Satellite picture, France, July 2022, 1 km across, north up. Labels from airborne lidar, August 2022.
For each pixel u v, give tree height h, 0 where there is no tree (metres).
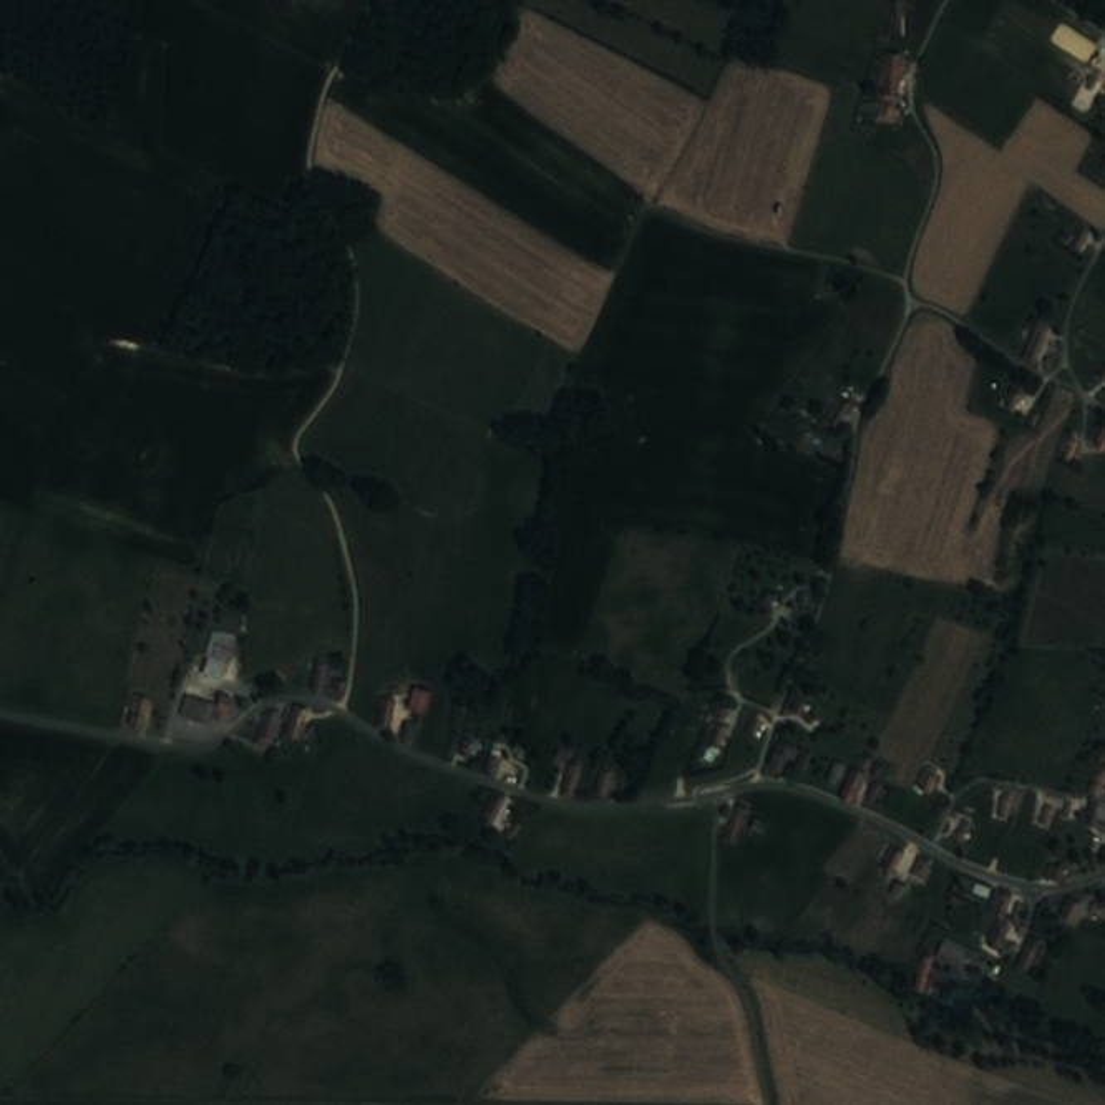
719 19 0
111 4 24
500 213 0
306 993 0
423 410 0
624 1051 0
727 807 7
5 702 0
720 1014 0
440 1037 0
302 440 0
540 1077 0
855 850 0
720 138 0
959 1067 0
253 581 0
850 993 0
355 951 0
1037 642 0
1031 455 0
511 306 0
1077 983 0
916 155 0
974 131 0
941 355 0
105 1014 0
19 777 0
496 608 0
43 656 0
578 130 0
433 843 9
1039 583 0
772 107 0
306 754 0
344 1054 0
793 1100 0
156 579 0
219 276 24
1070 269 0
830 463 8
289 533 0
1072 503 11
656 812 0
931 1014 13
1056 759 0
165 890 0
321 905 0
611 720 0
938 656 0
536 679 0
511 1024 0
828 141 0
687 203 0
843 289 19
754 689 0
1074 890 0
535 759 10
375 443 0
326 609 0
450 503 0
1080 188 0
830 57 0
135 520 0
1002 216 0
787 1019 0
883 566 0
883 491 0
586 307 0
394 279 0
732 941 11
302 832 0
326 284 23
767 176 0
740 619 0
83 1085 0
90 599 0
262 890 0
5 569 0
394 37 18
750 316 0
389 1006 0
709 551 0
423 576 0
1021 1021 22
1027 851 0
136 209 0
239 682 0
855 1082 0
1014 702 0
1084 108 0
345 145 0
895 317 0
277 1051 0
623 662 0
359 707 0
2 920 0
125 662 0
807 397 0
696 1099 0
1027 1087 0
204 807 0
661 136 0
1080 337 0
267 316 24
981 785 0
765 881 0
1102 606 0
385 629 0
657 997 0
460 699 21
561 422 19
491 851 9
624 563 0
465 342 0
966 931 0
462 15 16
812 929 0
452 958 0
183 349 10
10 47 22
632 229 0
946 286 0
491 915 0
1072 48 0
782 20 19
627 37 0
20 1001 0
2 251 0
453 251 0
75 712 0
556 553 14
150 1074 0
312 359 21
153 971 0
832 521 20
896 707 0
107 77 21
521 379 0
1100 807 0
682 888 0
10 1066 0
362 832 0
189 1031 0
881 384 10
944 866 0
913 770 0
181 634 0
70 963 0
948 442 0
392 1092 0
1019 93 0
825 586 9
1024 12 0
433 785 0
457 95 10
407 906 0
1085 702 0
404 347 0
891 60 0
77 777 0
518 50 0
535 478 0
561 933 0
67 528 0
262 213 12
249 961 0
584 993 0
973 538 0
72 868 16
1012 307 0
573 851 0
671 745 0
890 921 0
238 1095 0
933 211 0
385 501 21
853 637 0
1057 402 0
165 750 0
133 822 0
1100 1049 16
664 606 0
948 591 0
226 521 0
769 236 0
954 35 0
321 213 18
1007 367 7
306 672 0
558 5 0
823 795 0
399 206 0
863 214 0
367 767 0
